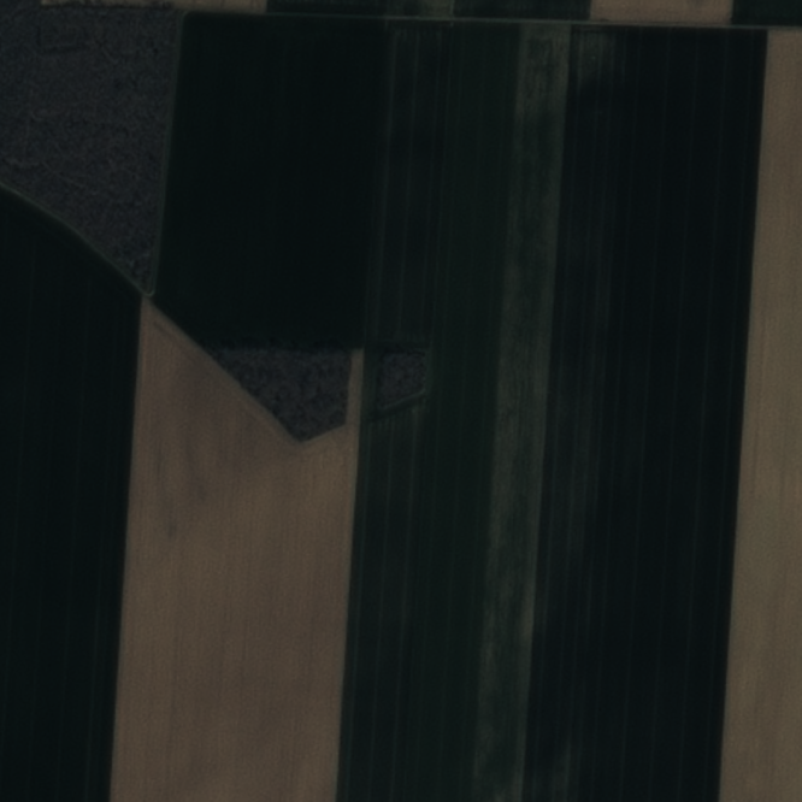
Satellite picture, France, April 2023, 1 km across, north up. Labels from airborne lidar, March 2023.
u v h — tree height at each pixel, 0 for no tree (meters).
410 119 0
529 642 0
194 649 0
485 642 0
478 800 0
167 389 0
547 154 0
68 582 0
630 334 0
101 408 0
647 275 0
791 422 0
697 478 0
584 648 0
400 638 0
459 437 0
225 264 0
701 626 0
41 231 0
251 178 0
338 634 0
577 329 0
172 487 0
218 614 0
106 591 0
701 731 0
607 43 0
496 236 0
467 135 0
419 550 0
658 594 0
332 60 0
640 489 0
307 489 0
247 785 0
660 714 0
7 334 0
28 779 0
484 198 0
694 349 0
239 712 0
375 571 0
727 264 0
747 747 0
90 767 0
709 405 0
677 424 0
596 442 0
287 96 0
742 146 0
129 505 0
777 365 0
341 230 0
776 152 0
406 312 0
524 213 0
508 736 0
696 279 0
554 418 0
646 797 0
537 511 0
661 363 0
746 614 0
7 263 0
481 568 0
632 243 0
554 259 0
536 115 0
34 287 0
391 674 0
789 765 0
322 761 0
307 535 0
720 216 0
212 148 0
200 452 0
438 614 0
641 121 0
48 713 0
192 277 0
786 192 0
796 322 0
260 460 0
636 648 0
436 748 0
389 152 0
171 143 0
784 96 0
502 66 0
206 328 0
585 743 0
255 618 0
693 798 0
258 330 0
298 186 0
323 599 0
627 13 0
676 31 0
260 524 0
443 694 0
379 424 0
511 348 0
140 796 0
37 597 0
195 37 0
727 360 0
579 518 0
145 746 0
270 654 0
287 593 0
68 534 0
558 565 0
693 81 0
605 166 0
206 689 0
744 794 0
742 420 0
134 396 0
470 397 0
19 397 0
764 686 0
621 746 0
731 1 0
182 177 0
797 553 0
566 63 0
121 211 12
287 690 0
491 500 0
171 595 0
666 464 0
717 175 0
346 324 0
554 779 0
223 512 0
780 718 0
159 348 0
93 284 0
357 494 0
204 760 0
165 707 0
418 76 0
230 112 0
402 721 0
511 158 0
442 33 0
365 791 0
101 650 0
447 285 0
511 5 0
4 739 0
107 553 0
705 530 0
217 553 0
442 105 0
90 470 0
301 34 0
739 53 0
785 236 0
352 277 0
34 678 0
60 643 0
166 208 0
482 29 0
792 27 0
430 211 0
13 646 0
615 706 0
